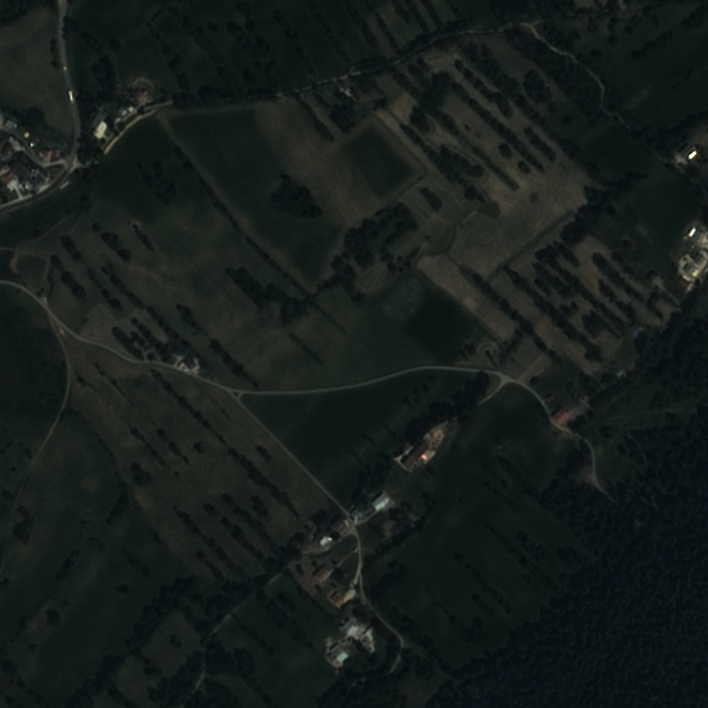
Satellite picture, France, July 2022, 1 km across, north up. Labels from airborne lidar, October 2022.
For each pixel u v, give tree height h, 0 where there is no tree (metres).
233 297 0
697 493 20
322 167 0
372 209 0
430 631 0
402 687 0
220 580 17
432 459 0
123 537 0
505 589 0
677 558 33
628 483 6
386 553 15
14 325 0
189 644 0
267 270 0
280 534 0
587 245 0
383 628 18
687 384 6
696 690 15
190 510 0
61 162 0
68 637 0
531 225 0
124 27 0
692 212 0
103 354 0
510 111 16
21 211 0
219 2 0
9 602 0
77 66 0
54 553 0
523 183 0
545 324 0
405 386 0
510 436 0
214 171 0
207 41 17
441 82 14
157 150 0
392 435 9
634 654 24
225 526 14
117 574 0
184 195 0
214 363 0
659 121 0
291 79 0
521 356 0
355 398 0
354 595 0
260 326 0
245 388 0
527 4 21
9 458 0
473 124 0
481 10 0
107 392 0
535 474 0
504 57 0
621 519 19
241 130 0
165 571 0
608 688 27
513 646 13
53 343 0
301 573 12
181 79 16
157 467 0
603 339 0
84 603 0
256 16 0
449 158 14
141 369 0
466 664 0
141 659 7
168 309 0
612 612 25
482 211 0
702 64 0
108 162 0
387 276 0
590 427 0
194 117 0
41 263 0
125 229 0
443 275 0
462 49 7
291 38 17
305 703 0
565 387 0
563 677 25
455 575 0
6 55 0
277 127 0
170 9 13
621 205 0
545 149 15
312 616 0
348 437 0
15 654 0
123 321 0
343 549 0
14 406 0
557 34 7
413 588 0
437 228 0
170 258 0
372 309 0
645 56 13
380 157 0
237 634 0
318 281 0
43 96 0
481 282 14
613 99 24
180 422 0
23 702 0
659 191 0
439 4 0
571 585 6
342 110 11
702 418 12
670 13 0
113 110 0
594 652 22
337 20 0
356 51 0
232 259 0
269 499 0
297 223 0
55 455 0
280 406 0
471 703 8
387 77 0
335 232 0
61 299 0
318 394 0
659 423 0
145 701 0
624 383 17
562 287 7
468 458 0
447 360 0
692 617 24
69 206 0
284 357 0
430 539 0
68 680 0
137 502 0
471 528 0
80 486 0
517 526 0
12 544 0
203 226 0
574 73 19
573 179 0
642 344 20
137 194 0
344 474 0
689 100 0
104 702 0
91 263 0
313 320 0
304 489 0
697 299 25
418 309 0
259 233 0
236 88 18
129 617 0
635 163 0
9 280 0
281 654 0
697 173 21
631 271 16
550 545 0
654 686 21
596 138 0
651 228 0
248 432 0
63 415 7
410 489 0
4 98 0
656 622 20
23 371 0
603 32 0
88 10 0
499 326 0
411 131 8
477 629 8
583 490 9
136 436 11
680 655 25
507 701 26
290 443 0
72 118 0
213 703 8
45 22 0
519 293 0
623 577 29
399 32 0
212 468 0
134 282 0
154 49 0
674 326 20
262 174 0
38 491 0
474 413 0
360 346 0
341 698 7
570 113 0
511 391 0
